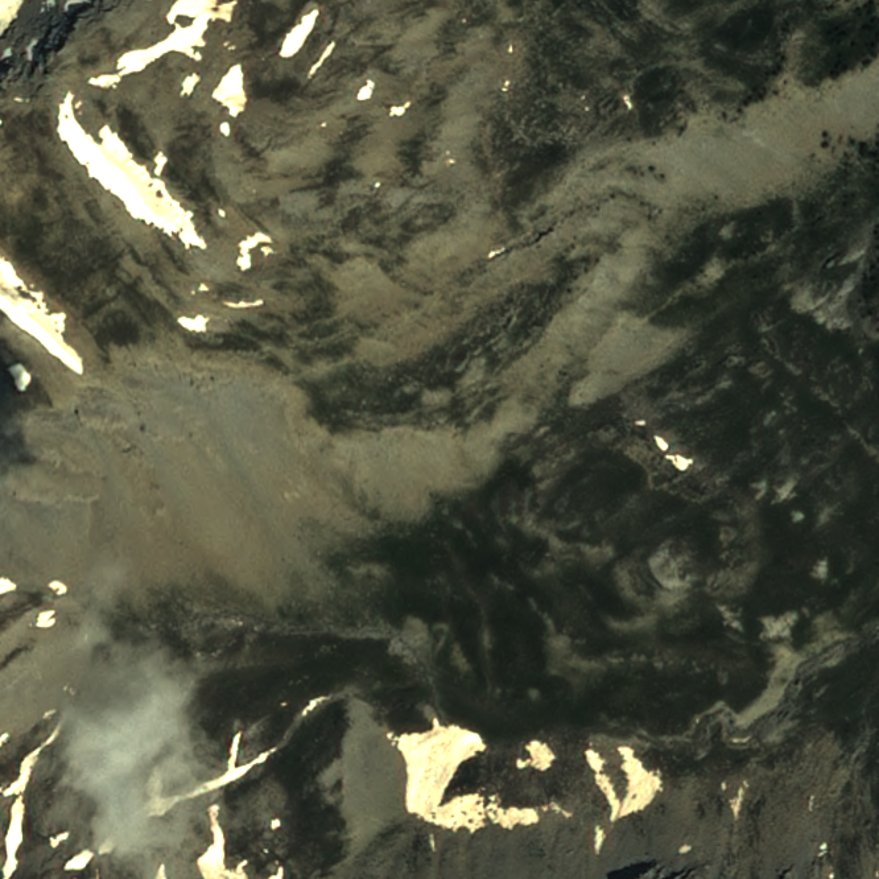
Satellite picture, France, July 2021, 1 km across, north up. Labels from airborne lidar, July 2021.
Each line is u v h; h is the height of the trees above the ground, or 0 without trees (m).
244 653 0
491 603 0
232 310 0
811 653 0
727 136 0
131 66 0
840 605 0
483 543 0
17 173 0
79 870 0
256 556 0
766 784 0
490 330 0
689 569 0
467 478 0
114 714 0
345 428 0
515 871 0
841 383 0
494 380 0
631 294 0
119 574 0
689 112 0
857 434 0
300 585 0
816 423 0
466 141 0
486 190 0
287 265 0
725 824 0
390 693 0
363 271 0
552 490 0
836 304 0
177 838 0
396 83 0
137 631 0
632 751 0
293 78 0
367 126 0
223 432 0
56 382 0
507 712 0
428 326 0
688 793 0
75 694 0
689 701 0
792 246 0
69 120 0
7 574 0
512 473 0
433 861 0
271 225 0
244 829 0
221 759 0
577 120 0
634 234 0
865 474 0
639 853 0
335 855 0
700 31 0
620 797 0
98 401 0
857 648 0
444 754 0
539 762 0
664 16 0
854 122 0
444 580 0
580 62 0
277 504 0
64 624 0
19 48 0
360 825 0
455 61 0
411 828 0
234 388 0
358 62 0
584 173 0
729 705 0
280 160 0
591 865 0
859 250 0
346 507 0
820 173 0
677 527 0
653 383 0
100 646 0
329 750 0
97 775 0
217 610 0
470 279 0
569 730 0
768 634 0
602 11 0
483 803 0
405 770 0
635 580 0
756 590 0
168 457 0
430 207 0
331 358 0
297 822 0
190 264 0
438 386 0
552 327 0
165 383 0
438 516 0
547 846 0
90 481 0
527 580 0
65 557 0
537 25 0
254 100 0
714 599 0
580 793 0
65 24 0
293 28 0
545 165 0
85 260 0
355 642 0
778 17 0
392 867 0
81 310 0
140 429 0
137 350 0
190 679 0
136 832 0
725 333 0
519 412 0
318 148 0
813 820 0
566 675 0
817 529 0
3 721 0
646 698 0
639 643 0
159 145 0
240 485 0
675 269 0
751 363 0
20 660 0
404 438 0
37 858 0
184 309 0
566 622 0
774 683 0
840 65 8
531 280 0
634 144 0
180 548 0
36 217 0
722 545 0
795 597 0
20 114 0
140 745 0
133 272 0
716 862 0
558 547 0
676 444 0
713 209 0
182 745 0
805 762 0
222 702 0
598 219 0
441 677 0
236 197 0
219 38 0
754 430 0
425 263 0
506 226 0
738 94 0
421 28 0
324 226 0
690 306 0
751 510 0
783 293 0
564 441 0
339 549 0
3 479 0
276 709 0
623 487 0
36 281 0
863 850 0
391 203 0
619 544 0
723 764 0
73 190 0
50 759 0
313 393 0
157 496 0
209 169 0
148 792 0
